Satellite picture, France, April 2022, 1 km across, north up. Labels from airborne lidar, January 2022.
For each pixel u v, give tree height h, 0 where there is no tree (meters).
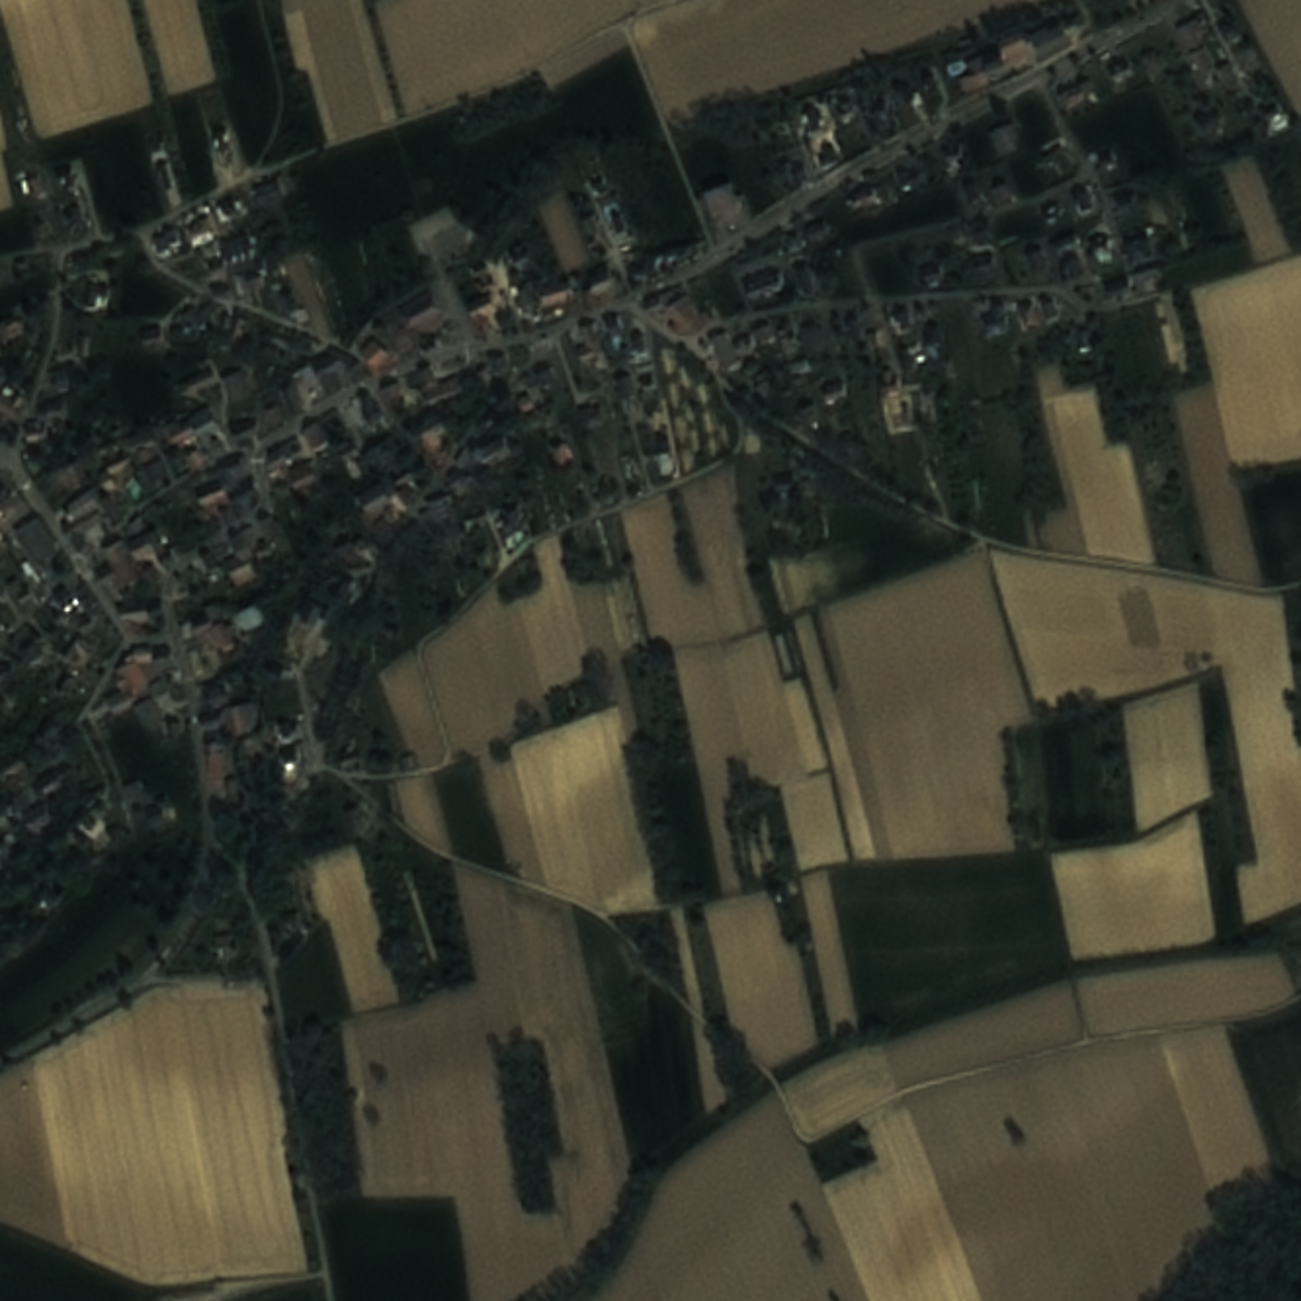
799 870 0
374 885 6
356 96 0
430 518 0
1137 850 0
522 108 15
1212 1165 0
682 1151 0
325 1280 0
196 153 0
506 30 0
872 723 0
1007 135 0
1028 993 0
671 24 0
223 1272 0
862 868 0
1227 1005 0
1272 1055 0
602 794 0
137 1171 0
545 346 0
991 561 0
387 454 0
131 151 0
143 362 0
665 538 0
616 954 0
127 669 0
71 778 15
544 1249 0
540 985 0
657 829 11
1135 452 0
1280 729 0
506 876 0
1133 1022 0
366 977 0
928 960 0
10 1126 0
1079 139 0
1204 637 0
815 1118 0
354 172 0
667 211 0
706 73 0
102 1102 0
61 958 0
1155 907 0
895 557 0
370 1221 0
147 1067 0
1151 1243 0
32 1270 0
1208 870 0
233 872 26
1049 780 0
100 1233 0
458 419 17
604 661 15
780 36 0
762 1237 0
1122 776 8
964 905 0
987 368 0
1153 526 0
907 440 0
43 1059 0
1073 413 0
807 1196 0
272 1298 0
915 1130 0
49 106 0
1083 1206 0
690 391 0
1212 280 0
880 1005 0
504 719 0
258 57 0
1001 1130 0
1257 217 0
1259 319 0
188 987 0
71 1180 0
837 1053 0
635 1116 0
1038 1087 0
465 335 0
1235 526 0
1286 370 0
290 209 0
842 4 0
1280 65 0
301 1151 12
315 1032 13
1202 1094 0
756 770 0
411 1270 0
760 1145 0
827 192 0
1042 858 0
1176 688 0
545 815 0
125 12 0
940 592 0
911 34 0
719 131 24
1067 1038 0
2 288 0
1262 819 0
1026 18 21
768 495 6
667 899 11
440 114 0
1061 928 0
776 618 0
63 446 21
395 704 0
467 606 0
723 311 0
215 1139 0
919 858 0
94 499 0
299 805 7
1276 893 0
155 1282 0
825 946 0
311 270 0
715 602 0
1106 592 0
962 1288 0
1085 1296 0
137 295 0
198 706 0
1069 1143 0
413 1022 0
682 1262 0
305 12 0
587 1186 0
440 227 0
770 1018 0
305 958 0
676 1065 0
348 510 0
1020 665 0
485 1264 0
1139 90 0
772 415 17
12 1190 0
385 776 0
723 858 0
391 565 19
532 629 0
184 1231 0
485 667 0
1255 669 0
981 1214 0
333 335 0
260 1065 0
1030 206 0
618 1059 0
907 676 0
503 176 0
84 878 16
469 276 0
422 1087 0
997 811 0
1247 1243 27
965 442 9
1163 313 0
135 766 0
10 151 0
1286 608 0
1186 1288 20
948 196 0
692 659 0
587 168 0
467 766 12
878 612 0
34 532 0
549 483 0
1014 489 0
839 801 0
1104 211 0
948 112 0
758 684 0
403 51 0
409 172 0
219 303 10
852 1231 0
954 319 0
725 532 0
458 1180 0
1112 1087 0
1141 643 0
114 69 0
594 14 0
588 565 12
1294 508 0
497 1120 0
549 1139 17
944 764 0
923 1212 0
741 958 0
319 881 0
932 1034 0
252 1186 0
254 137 0
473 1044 0
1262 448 0
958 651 0
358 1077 0
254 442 0
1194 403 0
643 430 7
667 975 14
